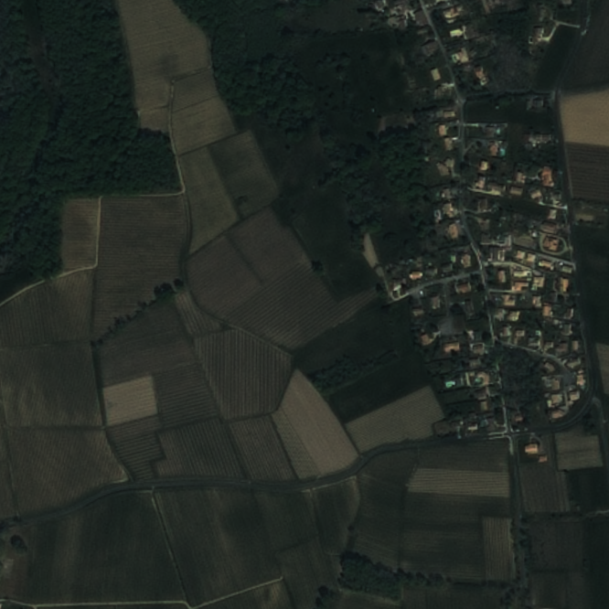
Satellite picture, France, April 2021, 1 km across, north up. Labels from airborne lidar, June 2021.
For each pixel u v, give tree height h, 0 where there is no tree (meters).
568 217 0
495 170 10
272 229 0
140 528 0
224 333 0
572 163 0
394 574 18
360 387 0
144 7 0
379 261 0
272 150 0
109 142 22
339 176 14
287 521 0
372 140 17
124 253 0
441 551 0
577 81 0
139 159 20
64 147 21
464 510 0
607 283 0
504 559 0
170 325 0
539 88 0
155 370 0
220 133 0
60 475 0
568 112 0
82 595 0
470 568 0
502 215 6
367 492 0
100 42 21
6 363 0
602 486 0
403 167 18
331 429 0
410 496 0
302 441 0
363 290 0
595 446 0
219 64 14
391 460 0
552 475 0
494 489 0
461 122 0
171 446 0
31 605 0
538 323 5
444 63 0
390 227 0
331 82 0
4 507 0
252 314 0
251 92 20
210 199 0
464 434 7
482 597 0
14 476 0
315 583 0
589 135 0
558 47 0
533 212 0
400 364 0
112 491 0
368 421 0
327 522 0
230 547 0
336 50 0
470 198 10
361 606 0
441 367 9
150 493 0
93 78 19
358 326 0
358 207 16
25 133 20
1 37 19
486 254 10
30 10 0
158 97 0
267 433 0
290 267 0
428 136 8
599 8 0
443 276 0
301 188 0
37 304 0
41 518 0
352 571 17
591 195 0
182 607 0
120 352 0
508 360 10
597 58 0
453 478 0
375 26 7
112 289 0
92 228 0
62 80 32
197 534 0
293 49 6
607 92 0
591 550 0
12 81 23
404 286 13
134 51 0
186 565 0
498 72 14
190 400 0
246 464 0
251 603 0
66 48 22
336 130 0
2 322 0
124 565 0
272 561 0
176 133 0
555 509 0
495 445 0
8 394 0
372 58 0
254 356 0
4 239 16
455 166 0
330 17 0
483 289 16
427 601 0
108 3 16
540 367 13
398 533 0
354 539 0
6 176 14
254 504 0
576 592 0
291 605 0
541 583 0
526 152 7
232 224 0
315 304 0
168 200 0
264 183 0
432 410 0
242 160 0
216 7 21
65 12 22
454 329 0
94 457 0
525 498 0
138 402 0
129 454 0
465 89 15
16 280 0
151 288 0
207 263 0
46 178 26
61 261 14
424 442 0
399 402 0
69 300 0
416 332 10
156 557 0
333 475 0
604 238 0
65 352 0
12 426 0
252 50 10
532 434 0
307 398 0
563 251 0
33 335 0
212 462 0
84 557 0
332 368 7
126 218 0
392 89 0
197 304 0
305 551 0
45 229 16
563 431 0
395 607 0
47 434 0
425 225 12
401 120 0
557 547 0
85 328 0
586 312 0
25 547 20
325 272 15
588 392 0
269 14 10
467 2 11
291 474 0
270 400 0
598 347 0
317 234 0
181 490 0
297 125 11
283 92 23
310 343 0
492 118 0
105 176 20
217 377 0
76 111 21
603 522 0
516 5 0
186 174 0
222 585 0
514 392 12
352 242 10
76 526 0
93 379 0
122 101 17
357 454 0
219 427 0
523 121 0
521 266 0
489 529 0
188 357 0
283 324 0
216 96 0
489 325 11
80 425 0
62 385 0
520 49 11
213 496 0
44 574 0
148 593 0
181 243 0
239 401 0
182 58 0
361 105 0
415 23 6
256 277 0
